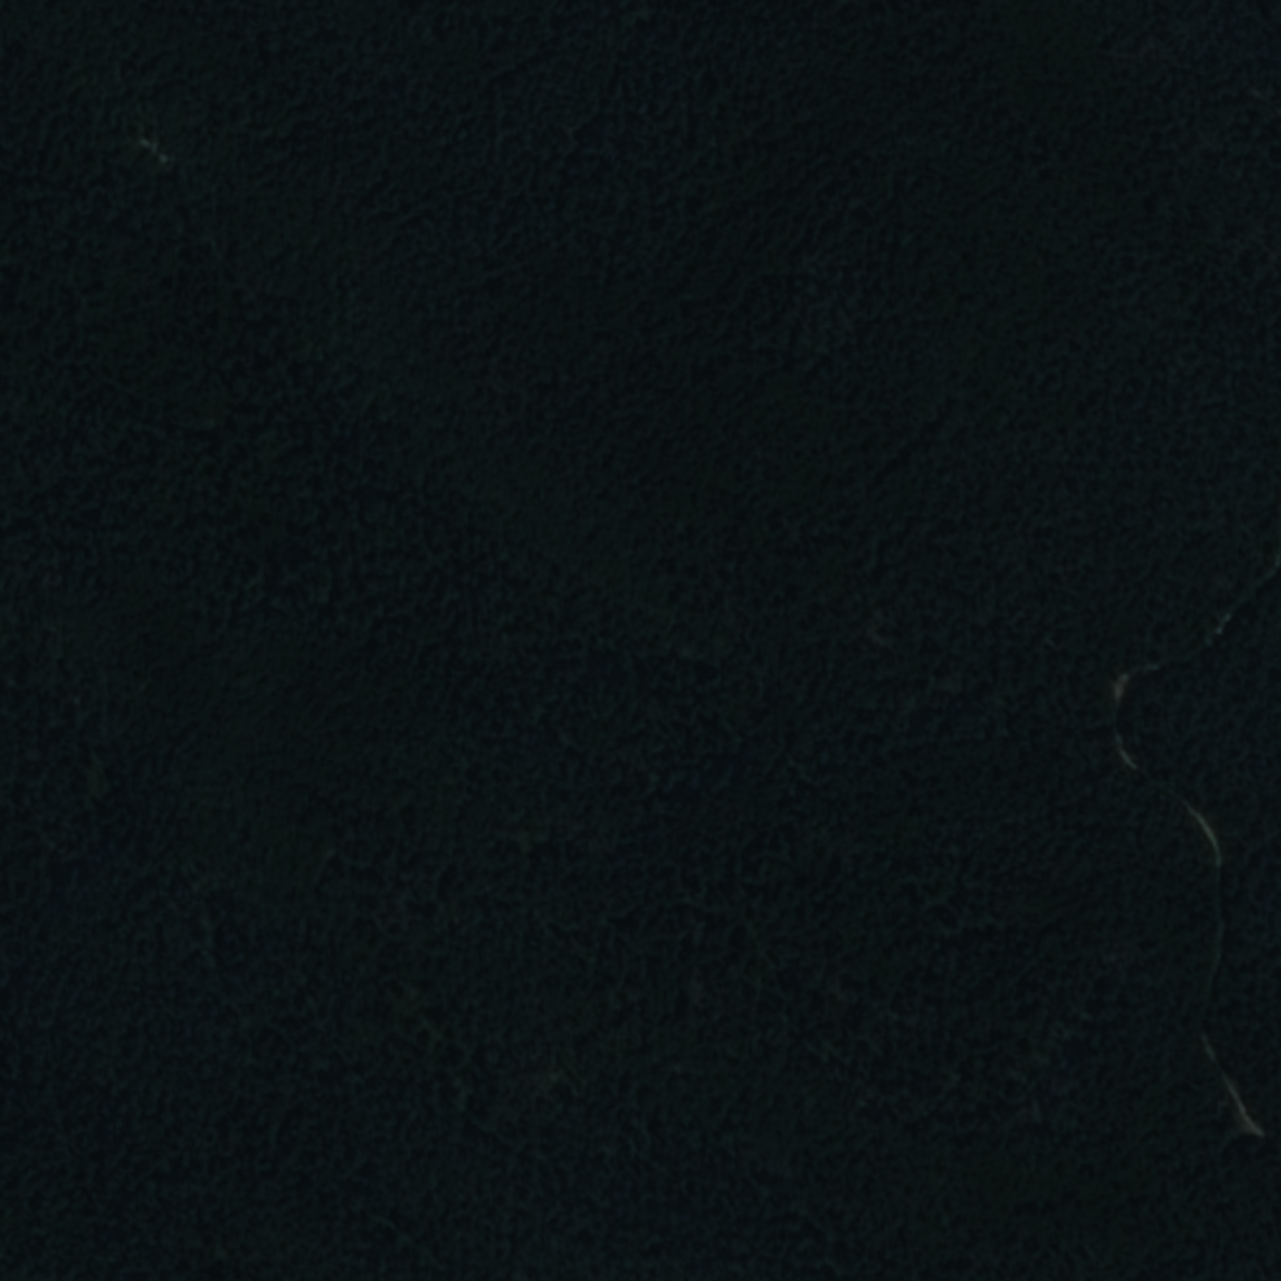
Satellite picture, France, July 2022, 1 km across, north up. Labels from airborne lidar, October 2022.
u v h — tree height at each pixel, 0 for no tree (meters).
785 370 19
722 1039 22
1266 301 20
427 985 22
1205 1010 15
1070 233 15
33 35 25
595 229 13
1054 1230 14
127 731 19
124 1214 29
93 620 19
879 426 16
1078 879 19
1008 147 21
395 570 17
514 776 16
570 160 19
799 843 21
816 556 19
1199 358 15
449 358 14
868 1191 21
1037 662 21
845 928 20
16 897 21
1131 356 18
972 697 17
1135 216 18
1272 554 14
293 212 18
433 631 16
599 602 20
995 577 29
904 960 13
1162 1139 19
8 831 19
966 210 17
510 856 21
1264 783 22
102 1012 20
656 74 28
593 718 18
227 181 18
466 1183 20
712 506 19
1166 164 28
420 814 16
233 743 15
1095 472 27
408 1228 34
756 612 16
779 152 16
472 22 20
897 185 10
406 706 20
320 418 10
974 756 16
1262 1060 20
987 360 18
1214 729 27
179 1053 15
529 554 27
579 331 11
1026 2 18
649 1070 15
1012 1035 14
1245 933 22
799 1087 19
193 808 18
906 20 18
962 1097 16
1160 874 21
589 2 19
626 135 18
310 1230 12
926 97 24
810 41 20
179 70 17
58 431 7
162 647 27
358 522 13
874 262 15
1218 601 21
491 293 19
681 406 17
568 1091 8
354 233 17
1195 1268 27
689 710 27
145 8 18
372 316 15
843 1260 17
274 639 21
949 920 25
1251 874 18
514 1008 20
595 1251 24
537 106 23
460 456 17
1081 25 15
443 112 22
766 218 10
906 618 22
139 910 26
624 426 16
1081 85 20
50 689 12
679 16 15
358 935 20
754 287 18
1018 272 18
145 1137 13
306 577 29
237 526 6
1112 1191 17
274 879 14
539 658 13
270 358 9
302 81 19
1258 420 26
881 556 20
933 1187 22
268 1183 20
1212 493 16
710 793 27
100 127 15
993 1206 17
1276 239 20
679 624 21
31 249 23
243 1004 22
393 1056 21
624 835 18
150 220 22
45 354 12
